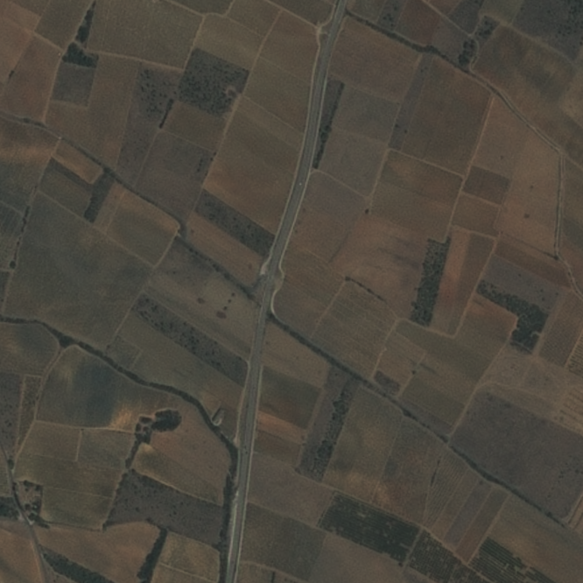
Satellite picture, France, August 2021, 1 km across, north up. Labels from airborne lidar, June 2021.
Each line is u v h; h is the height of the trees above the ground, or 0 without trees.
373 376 0
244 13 0
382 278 0
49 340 0
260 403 0
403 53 0
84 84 0
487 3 0
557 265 0
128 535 0
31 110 0
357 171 0
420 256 0
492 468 0
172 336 0
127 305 0
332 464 0
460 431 0
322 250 0
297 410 0
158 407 0
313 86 0
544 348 0
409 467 0
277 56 0
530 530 0
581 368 0
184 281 0
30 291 0
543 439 0
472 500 0
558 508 0
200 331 0
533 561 0
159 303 0
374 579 0
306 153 0
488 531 0
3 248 0
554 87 0
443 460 0
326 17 0
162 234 0
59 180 0
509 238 0
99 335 0
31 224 0
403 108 0
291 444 0
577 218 0
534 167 0
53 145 0
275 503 0
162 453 0
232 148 0
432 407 0
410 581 0
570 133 0
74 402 0
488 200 0
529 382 0
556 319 0
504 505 0
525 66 0
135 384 0
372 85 0
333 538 0
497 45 0
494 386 0
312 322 0
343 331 0
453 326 0
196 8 0
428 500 0
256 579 0
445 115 0
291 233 0
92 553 0
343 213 0
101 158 0
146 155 0
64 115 0
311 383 0
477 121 0
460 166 0
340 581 0
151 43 0
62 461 0
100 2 0
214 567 0
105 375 0
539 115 0
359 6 0
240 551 0
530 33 0
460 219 0
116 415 0
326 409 0
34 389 0
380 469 0
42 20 0
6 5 0
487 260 0
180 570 0
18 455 0
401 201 0
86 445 0
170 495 0
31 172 0
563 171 0
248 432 0
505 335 0
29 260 0
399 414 0
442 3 0
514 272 0
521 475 0
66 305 0
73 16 0
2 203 0
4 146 0
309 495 0
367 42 0
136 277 0
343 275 0
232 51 0
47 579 0
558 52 0
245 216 0
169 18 0
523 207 0
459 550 0
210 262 7
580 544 0
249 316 0
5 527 0
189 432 0
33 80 0
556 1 0
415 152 0
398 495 0
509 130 0
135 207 0
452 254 0
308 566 0
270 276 0
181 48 0
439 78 0
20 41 0
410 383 0
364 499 0
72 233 0
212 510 0
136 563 0
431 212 0
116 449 0
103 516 0
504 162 0
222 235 0
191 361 0
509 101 0
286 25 0
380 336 0
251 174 0
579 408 0
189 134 0
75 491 0
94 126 0
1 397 0
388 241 0
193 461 0
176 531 0
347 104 0
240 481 0
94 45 0
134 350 0
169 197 0
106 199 0
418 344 0
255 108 0
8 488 0
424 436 0
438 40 0
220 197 0
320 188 0
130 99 0
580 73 0
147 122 0
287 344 0
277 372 0
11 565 0
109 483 0
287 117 0
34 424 0
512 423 0
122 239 0
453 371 0
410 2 0
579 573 0
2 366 0
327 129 8
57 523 0
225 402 0
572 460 0
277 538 0
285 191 0
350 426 0
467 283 0
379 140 0
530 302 0
